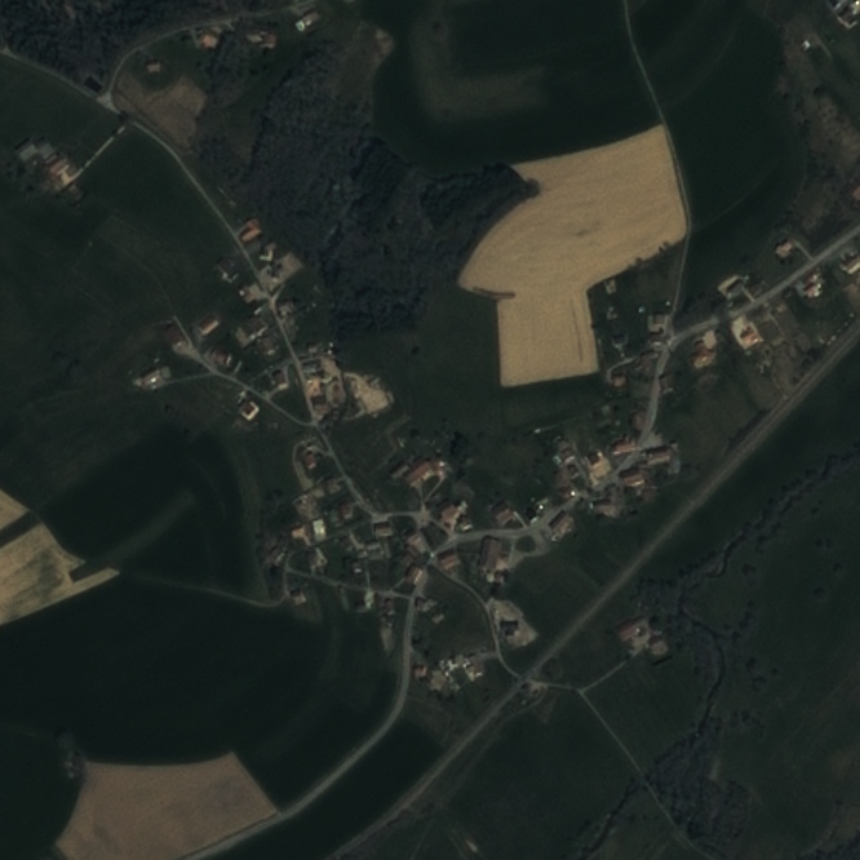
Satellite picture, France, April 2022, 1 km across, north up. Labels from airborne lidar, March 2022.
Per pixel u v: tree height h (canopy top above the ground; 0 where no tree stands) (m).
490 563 0
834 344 0
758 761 0
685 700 0
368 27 0
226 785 0
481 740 0
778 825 0
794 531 0
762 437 0
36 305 0
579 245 0
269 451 0
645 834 0
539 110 0
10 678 0
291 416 0
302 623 0
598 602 0
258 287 0
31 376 0
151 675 0
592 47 0
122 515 0
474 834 0
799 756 0
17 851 0
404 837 0
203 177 0
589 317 0
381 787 0
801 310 0
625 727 0
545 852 0
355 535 0
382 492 0
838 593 0
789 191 0
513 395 0
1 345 0
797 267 0
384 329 21
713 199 0
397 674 0
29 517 0
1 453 0
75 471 0
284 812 0
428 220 10
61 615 0
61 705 0
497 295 0
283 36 0
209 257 0
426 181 17
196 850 0
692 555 0
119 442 0
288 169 22
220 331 0
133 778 0
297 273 0
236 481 0
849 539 0
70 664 0
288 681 0
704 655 22
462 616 0
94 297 0
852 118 0
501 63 0
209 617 0
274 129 25
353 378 0
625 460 0
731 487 0
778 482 0
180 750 0
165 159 0
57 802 0
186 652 0
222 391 0
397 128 0
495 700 0
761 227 0
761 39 0
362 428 0
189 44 14
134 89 0
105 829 0
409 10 0
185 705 0
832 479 16
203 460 0
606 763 0
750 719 17
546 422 0
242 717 0
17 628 0
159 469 0
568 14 0
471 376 0
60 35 8
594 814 0
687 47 0
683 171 0
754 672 16
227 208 0
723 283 0
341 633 0
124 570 0
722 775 0
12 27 17
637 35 0
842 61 0
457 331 0
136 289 0
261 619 0
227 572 0
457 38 0
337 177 12
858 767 0
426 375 0
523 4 0
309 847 0
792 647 0
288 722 0
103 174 0
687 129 0
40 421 0
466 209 20
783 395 0
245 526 0
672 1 0
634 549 0
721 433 0
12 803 0
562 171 0
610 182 0
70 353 0
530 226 0
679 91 0
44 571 0
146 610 0
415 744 0
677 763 18
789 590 0
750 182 0
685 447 0
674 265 0
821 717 0
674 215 0
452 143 0
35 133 0
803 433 0
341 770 0
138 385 0
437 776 0
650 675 0
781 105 0
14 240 0
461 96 0
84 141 0
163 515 0
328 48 11
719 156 0
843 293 0
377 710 0
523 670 0
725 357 0
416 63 0
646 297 0
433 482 0
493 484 0
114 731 0
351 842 0
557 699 0
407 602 0
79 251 0
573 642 0
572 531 0
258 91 0
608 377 0
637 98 0
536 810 0
